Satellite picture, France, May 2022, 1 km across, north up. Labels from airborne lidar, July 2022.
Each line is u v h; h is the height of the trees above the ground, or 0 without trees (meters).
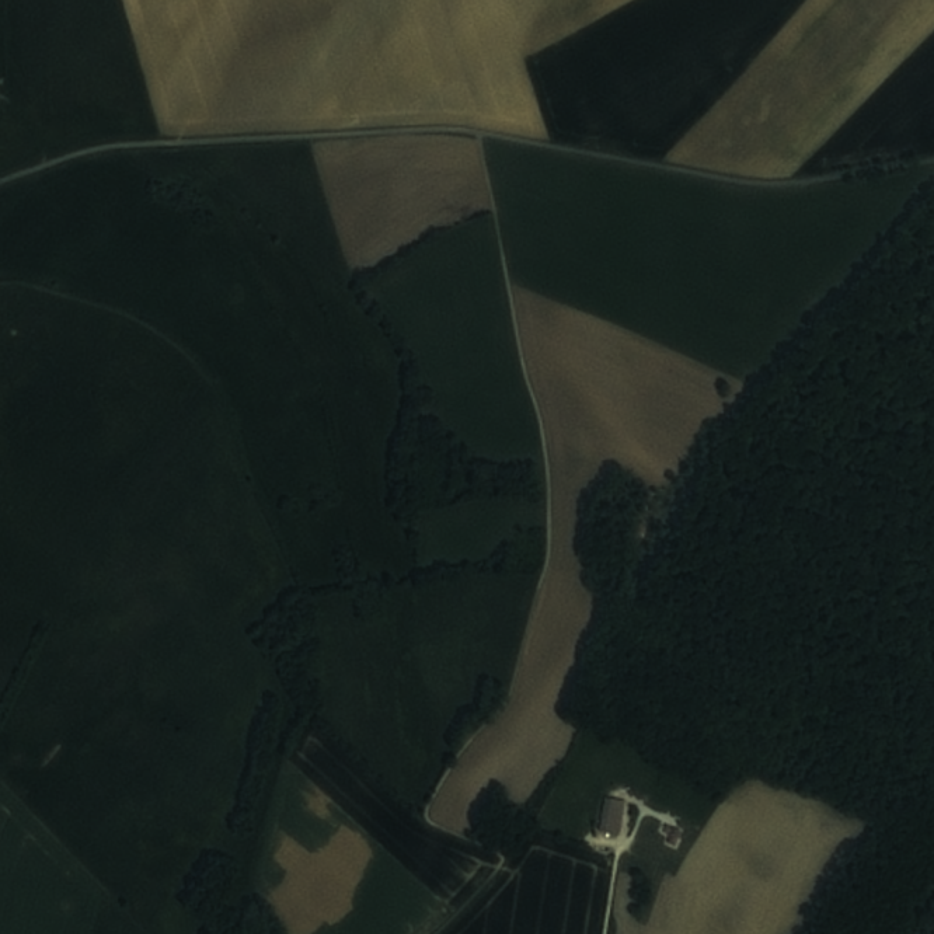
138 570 0
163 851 0
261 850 0
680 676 27
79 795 0
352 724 0
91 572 0
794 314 0
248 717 0
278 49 0
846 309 27
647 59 0
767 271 0
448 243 0
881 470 27
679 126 0
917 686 28
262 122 0
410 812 13
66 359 0
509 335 0
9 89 0
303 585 8
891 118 0
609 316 0
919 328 28
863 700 27
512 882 0
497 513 0
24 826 0
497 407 0
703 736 24
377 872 0
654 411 0
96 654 0
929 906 21
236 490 0
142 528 0
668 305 0
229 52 0
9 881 0
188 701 0
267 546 0
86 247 0
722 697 26
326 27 0
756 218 0
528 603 0
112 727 0
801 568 27
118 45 0
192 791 0
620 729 22
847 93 0
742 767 17
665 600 28
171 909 0
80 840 0
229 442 0
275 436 0
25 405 0
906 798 23
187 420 0
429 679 0
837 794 25
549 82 0
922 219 21
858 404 24
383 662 0
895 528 28
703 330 0
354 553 6
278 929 18
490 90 0
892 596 24
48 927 0
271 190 0
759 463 30
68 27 0
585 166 0
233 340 0
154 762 0
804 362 26
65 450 0
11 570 0
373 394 0
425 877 0
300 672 26
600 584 18
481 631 0
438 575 15
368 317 10
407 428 19
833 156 0
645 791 0
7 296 0
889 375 26
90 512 0
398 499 17
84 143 0
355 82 0
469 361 0
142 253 0
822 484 29
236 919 12
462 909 0
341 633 0
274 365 0
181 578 0
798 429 22
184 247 0
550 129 0
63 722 0
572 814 0
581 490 0
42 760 0
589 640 18
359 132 0
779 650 27
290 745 16
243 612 0
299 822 0
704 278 0
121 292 0
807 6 0
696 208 0
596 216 0
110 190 0
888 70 0
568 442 0
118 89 0
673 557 30
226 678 0
